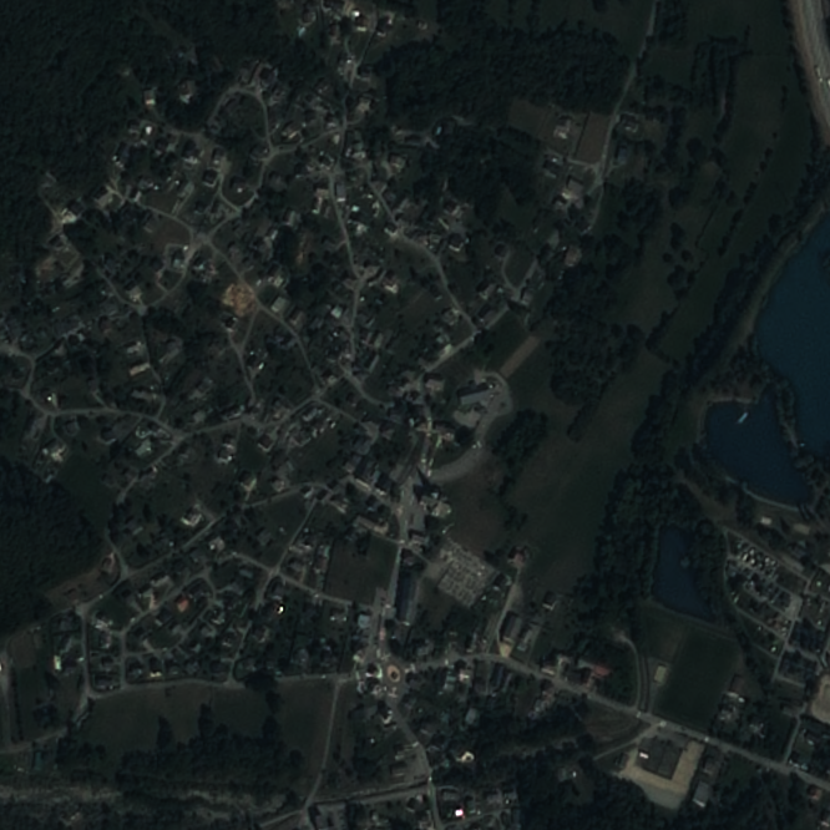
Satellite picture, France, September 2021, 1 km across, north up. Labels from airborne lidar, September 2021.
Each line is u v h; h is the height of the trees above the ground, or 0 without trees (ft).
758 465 0
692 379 48
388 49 0
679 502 29
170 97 25
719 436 0
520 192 75
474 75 52
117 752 0
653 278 0
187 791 38
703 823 41
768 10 0
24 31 60
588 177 0
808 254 0
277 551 0
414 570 22
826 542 22
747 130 0
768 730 22
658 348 46
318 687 0
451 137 43
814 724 38
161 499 0
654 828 61
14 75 43
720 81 56
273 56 38
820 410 0
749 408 0
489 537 0
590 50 69
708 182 0
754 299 111
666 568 0
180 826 38
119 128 48
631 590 46
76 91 63
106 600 0
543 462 0
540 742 36
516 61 35
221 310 51
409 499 0
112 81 52
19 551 65
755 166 0
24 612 70
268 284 0
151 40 56
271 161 0
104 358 19
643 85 23
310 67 61
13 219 49
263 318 0
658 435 94
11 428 56
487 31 55
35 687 0
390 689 0
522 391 0
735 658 0
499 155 58
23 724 23
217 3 54
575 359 48
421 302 0
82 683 22
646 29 0
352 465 0
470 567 0
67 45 67
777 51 0
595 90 67
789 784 0
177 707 0
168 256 0
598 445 0
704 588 85
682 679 0
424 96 45
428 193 51
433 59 75
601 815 61
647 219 54
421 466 0
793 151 0
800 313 0
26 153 66
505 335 0
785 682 0
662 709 0
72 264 0
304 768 50
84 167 36
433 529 31
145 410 35
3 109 57
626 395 0
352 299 0
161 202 0
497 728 47
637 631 44
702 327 0
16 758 0
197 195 0
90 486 0
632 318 0
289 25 0
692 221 0
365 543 30
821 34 0
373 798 0
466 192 46
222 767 62
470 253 30
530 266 0
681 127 57
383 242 0
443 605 0
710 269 0
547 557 0
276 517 0
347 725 0
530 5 0
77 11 56
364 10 0
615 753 0
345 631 0
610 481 0
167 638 0
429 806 35
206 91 54
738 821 58
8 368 37
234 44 49
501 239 46
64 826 36
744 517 85
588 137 0
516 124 0
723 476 81
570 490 0
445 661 0
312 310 19
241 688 0
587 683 0
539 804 59
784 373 0
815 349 0
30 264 26
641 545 61
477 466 0
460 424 0
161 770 53
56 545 75
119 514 52
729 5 0
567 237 56
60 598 0
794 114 0
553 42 42
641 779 0
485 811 0
